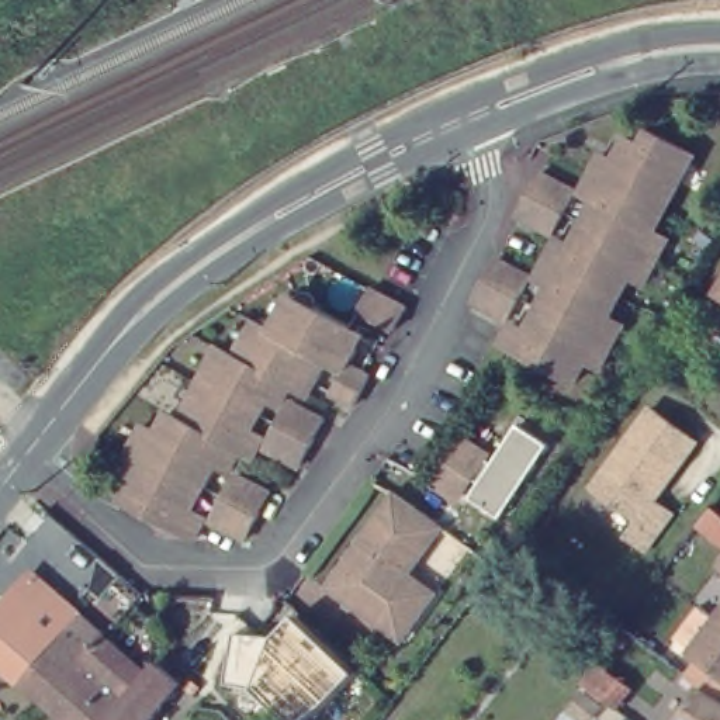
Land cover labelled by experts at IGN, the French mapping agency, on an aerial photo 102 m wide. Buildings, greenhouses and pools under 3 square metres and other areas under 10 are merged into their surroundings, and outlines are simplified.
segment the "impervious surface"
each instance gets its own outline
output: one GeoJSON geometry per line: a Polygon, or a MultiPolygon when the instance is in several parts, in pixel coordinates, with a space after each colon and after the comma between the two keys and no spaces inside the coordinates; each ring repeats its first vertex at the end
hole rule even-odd
{"type": "Polygon", "coordinates": [[[703,169],[698,172],[692,163],[681,172],[678,186],[689,188],[700,191],[706,183],[712,183],[703,169]]]}
{"type": "Polygon", "coordinates": [[[464,560],[467,548],[447,534],[444,540],[430,537],[422,546],[422,554],[413,565],[413,579],[422,582],[433,596],[444,596],[447,579],[447,574],[464,560]]]}
{"type": "Polygon", "coordinates": [[[180,380],[172,371],[160,374],[152,383],[152,388],[143,391],[143,399],[158,405],[172,405],[174,411],[180,411],[186,405],[186,388],[191,380],[180,380]]]}
{"type": "Polygon", "coordinates": [[[239,720],[276,720],[273,709],[264,709],[250,695],[250,686],[231,686],[236,709],[242,712],[239,720]]]}
{"type": "Polygon", "coordinates": [[[180,605],[186,605],[188,596],[222,599],[222,608],[214,616],[214,622],[219,622],[219,633],[214,638],[214,650],[203,672],[203,689],[205,695],[211,695],[217,675],[225,678],[233,641],[239,636],[270,633],[278,624],[284,608],[293,608],[295,624],[307,636],[312,636],[346,672],[357,675],[352,644],[357,641],[357,630],[363,624],[329,599],[323,579],[326,571],[338,563],[340,551],[349,546],[352,534],[374,509],[374,503],[388,492],[377,484],[377,473],[391,473],[397,464],[411,464],[416,447],[422,447],[433,436],[436,422],[442,422],[444,411],[456,399],[458,385],[473,380],[475,366],[487,368],[501,357],[495,349],[489,349],[498,335],[495,326],[473,315],[473,293],[484,281],[484,253],[489,248],[498,248],[503,253],[509,248],[520,248],[520,239],[509,236],[515,222],[515,211],[520,197],[526,194],[526,186],[540,174],[548,174],[548,143],[563,143],[571,132],[585,132],[588,121],[599,118],[608,118],[616,135],[627,129],[624,110],[630,101],[636,101],[641,90],[667,84],[678,90],[678,101],[686,104],[695,90],[700,93],[706,90],[706,84],[720,79],[720,17],[647,25],[568,48],[537,65],[509,70],[498,79],[442,98],[385,127],[383,132],[377,131],[371,113],[349,121],[335,135],[349,138],[349,146],[343,152],[326,158],[323,163],[270,191],[256,205],[236,214],[231,222],[225,222],[222,228],[200,239],[194,248],[183,250],[160,270],[155,270],[143,284],[138,284],[101,323],[101,329],[90,338],[90,343],[70,363],[70,368],[62,374],[62,380],[51,388],[48,397],[34,397],[31,391],[31,385],[42,374],[34,366],[23,366],[20,360],[11,360],[0,352],[0,383],[11,385],[20,397],[14,413],[6,422],[0,422],[0,591],[8,591],[23,574],[37,574],[62,599],[68,599],[82,613],[82,619],[87,619],[98,630],[104,641],[110,641],[124,655],[132,641],[127,633],[115,627],[115,622],[110,622],[110,616],[129,608],[129,593],[152,596],[166,593],[166,599],[177,599],[180,605]],[[419,298],[419,309],[402,307],[397,318],[385,318],[377,323],[383,329],[380,340],[357,335],[357,346],[349,363],[366,374],[366,383],[354,397],[354,408],[352,413],[343,408],[321,411],[321,425],[293,470],[298,473],[298,481],[293,487],[278,489],[276,495],[267,492],[250,515],[250,529],[242,532],[233,543],[219,534],[211,534],[208,526],[200,529],[200,537],[188,534],[191,543],[169,543],[155,537],[132,512],[115,509],[98,498],[84,501],[70,481],[73,458],[79,453],[90,456],[98,433],[87,430],[84,419],[110,391],[110,385],[132,366],[132,360],[186,307],[197,312],[217,295],[222,295],[231,284],[245,278],[245,273],[262,256],[276,250],[278,245],[287,250],[290,245],[307,239],[312,233],[309,228],[318,222],[326,222],[340,214],[346,228],[363,217],[363,203],[368,203],[377,211],[383,205],[394,208],[399,200],[399,188],[411,186],[411,180],[416,177],[430,191],[433,211],[439,211],[439,222],[444,228],[430,231],[428,225],[422,225],[419,239],[399,239],[394,253],[408,256],[405,290],[419,298]],[[304,579],[304,557],[309,557],[321,546],[323,534],[332,529],[332,523],[346,509],[346,503],[363,481],[374,481],[374,492],[366,509],[357,515],[352,529],[338,540],[335,551],[326,557],[318,577],[304,579]]]}
{"type": "Polygon", "coordinates": [[[647,678],[647,683],[661,698],[650,709],[644,709],[638,689],[627,686],[619,712],[591,717],[571,703],[557,720],[672,720],[683,714],[683,709],[692,700],[692,689],[681,689],[678,678],[667,678],[661,672],[653,672],[647,678]]]}
{"type": "Polygon", "coordinates": [[[644,647],[678,675],[686,667],[669,650],[669,644],[661,636],[655,636],[644,641],[644,647]]]}

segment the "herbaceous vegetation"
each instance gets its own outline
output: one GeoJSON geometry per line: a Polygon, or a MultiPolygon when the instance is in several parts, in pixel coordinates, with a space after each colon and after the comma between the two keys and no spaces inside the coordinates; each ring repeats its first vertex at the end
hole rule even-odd
{"type": "Polygon", "coordinates": [[[686,211],[689,188],[678,186],[658,222],[664,250],[678,253],[678,262],[686,270],[700,267],[703,250],[692,245],[689,236],[678,239],[669,231],[669,219],[686,211]]]}
{"type": "Polygon", "coordinates": [[[534,650],[529,669],[518,667],[515,678],[503,678],[501,692],[487,695],[467,672],[467,658],[478,658],[487,647],[495,644],[503,647],[509,636],[506,630],[492,630],[489,613],[470,613],[464,602],[467,588],[453,585],[447,579],[444,596],[433,596],[413,622],[413,627],[408,627],[394,641],[397,655],[391,655],[391,664],[385,669],[385,683],[394,692],[399,689],[397,667],[408,661],[408,653],[413,655],[416,650],[430,647],[439,655],[428,667],[425,678],[391,712],[391,720],[557,720],[571,703],[579,678],[551,675],[551,664],[557,661],[557,655],[534,650]]]}
{"type": "Polygon", "coordinates": [[[473,534],[492,520],[467,506],[458,520],[453,520],[444,512],[444,501],[436,495],[436,487],[428,495],[416,492],[408,484],[408,478],[413,478],[411,464],[397,464],[391,473],[377,473],[377,484],[388,492],[408,501],[447,534],[467,548],[473,551],[478,546],[473,534]]]}
{"type": "Polygon", "coordinates": [[[613,152],[616,135],[608,118],[599,118],[588,121],[585,132],[571,132],[563,143],[548,143],[548,174],[565,186],[577,186],[591,158],[608,158],[613,152]]]}
{"type": "Polygon", "coordinates": [[[158,8],[174,6],[177,0],[0,0],[0,84],[11,76],[20,76],[45,51],[53,51],[56,59],[62,59],[76,53],[79,48],[101,42],[104,37],[124,37],[135,31],[143,20],[149,20],[158,8]]]}
{"type": "Polygon", "coordinates": [[[644,647],[644,641],[655,636],[661,636],[669,644],[678,622],[692,610],[695,596],[700,596],[703,602],[714,602],[720,596],[720,540],[706,543],[698,534],[698,518],[695,503],[703,503],[709,484],[703,481],[686,498],[678,498],[675,492],[706,447],[706,428],[714,422],[720,425],[720,394],[714,399],[703,399],[695,408],[692,388],[686,380],[686,363],[678,360],[669,368],[672,385],[650,388],[641,399],[641,408],[655,411],[672,428],[683,430],[692,439],[692,450],[681,458],[664,492],[658,495],[658,503],[669,512],[669,520],[655,534],[653,546],[644,554],[638,554],[636,548],[622,543],[610,515],[591,503],[588,478],[579,478],[568,489],[563,509],[554,509],[548,503],[526,526],[526,532],[532,534],[529,554],[534,557],[540,582],[554,579],[557,585],[565,585],[568,593],[574,591],[588,596],[591,608],[577,624],[608,627],[613,633],[613,653],[608,669],[627,686],[638,689],[644,709],[650,709],[661,698],[647,683],[647,678],[653,672],[661,672],[667,678],[678,678],[678,675],[644,647]],[[667,616],[653,605],[653,579],[647,560],[667,560],[675,565],[675,579],[669,582],[669,588],[675,591],[675,605],[667,616]]]}
{"type": "Polygon", "coordinates": [[[529,475],[520,481],[509,503],[512,509],[518,509],[526,501],[532,487],[540,481],[546,464],[554,458],[554,447],[563,439],[560,433],[543,428],[543,422],[537,419],[526,419],[523,428],[543,442],[543,453],[529,470],[529,475]]]}
{"type": "Polygon", "coordinates": [[[509,236],[520,239],[520,248],[509,248],[503,253],[503,262],[509,267],[532,273],[546,248],[540,233],[526,231],[520,222],[515,222],[509,236]]]}
{"type": "Polygon", "coordinates": [[[110,293],[141,262],[160,250],[174,233],[197,222],[217,203],[228,208],[245,194],[245,186],[256,186],[256,177],[278,172],[281,163],[335,135],[349,121],[371,113],[416,93],[419,87],[436,84],[464,68],[473,68],[489,56],[506,53],[515,45],[532,45],[537,51],[540,42],[563,31],[596,25],[633,8],[678,0],[408,0],[391,11],[377,11],[371,20],[354,25],[349,31],[349,45],[323,42],[315,51],[284,56],[287,70],[276,76],[250,76],[239,82],[225,101],[200,98],[188,110],[172,113],[160,124],[135,129],[107,143],[104,149],[96,149],[62,169],[48,172],[42,180],[14,186],[11,191],[0,194],[0,352],[11,360],[20,360],[23,366],[34,366],[42,374],[51,371],[65,346],[96,315],[96,309],[110,298],[110,293]]]}
{"type": "Polygon", "coordinates": [[[211,346],[197,340],[194,329],[177,338],[166,349],[166,354],[155,366],[149,366],[149,371],[132,385],[127,399],[113,411],[113,416],[98,433],[90,456],[87,470],[107,473],[113,484],[121,487],[129,467],[127,439],[135,428],[155,425],[158,405],[143,399],[143,391],[152,388],[152,383],[160,374],[172,371],[180,380],[191,380],[197,368],[203,368],[203,354],[211,346]]]}
{"type": "Polygon", "coordinates": [[[585,402],[602,371],[579,368],[577,380],[582,383],[577,383],[568,397],[585,402]]]}
{"type": "Polygon", "coordinates": [[[706,84],[706,90],[700,93],[695,90],[686,104],[695,118],[714,121],[706,138],[689,138],[678,129],[672,115],[672,107],[678,101],[678,90],[667,84],[641,90],[636,101],[630,101],[624,110],[627,129],[647,129],[650,135],[678,149],[686,149],[692,155],[692,163],[698,172],[703,169],[712,183],[720,180],[720,79],[706,84]]]}
{"type": "Polygon", "coordinates": [[[203,689],[203,672],[214,650],[214,638],[219,633],[219,622],[214,622],[214,616],[222,608],[222,599],[188,596],[186,605],[180,605],[177,599],[166,599],[160,624],[172,638],[172,650],[163,655],[149,650],[149,636],[143,633],[143,624],[155,608],[152,596],[129,593],[129,608],[110,616],[110,622],[115,622],[115,627],[127,633],[132,641],[124,655],[138,667],[149,664],[172,678],[166,700],[152,712],[149,720],[239,720],[242,712],[236,709],[231,686],[225,683],[225,678],[217,675],[211,695],[205,695],[203,689]]]}
{"type": "Polygon", "coordinates": [[[31,703],[14,683],[0,681],[0,720],[17,720],[17,706],[31,703]]]}
{"type": "Polygon", "coordinates": [[[613,307],[613,321],[619,321],[622,326],[633,329],[636,321],[653,321],[661,329],[667,326],[664,307],[672,301],[672,293],[683,284],[675,267],[658,259],[647,276],[647,284],[641,284],[638,290],[622,290],[613,307]]]}
{"type": "Polygon", "coordinates": [[[262,323],[264,315],[276,309],[276,298],[293,298],[349,326],[357,335],[380,340],[383,329],[377,323],[368,323],[357,312],[357,301],[366,290],[377,290],[399,301],[402,307],[419,309],[419,298],[405,290],[408,256],[394,253],[374,256],[366,245],[352,242],[346,228],[338,236],[332,236],[321,250],[295,256],[281,270],[245,290],[236,301],[225,307],[225,312],[219,312],[217,323],[222,323],[231,335],[245,329],[250,321],[262,323]]]}
{"type": "Polygon", "coordinates": [[[373,705],[363,693],[360,693],[363,692],[363,683],[357,681],[357,675],[346,672],[335,692],[307,720],[357,720],[373,705]]]}

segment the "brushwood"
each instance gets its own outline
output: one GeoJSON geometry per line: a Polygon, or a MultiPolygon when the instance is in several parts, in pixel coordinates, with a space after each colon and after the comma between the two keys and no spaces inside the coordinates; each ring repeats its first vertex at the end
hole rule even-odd
{"type": "Polygon", "coordinates": [[[377,695],[377,686],[374,686],[374,683],[363,683],[363,692],[360,693],[363,693],[373,705],[357,720],[380,720],[380,695],[377,695]]]}
{"type": "Polygon", "coordinates": [[[338,540],[352,529],[357,515],[366,509],[374,492],[374,481],[363,481],[346,503],[346,509],[332,523],[332,529],[323,534],[321,546],[309,557],[304,557],[304,579],[318,577],[326,557],[335,551],[338,540]]]}

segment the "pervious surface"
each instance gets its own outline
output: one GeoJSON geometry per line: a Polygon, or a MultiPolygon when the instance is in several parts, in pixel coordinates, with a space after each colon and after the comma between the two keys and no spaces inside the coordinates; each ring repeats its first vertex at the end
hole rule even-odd
{"type": "Polygon", "coordinates": [[[222,228],[225,222],[231,222],[236,214],[256,205],[270,191],[323,163],[326,158],[343,152],[349,146],[349,138],[335,135],[281,163],[278,172],[256,177],[256,186],[245,186],[245,194],[228,208],[217,203],[197,222],[174,233],[160,250],[141,262],[110,293],[110,298],[96,309],[96,315],[65,346],[51,371],[42,374],[31,385],[31,391],[34,397],[48,397],[51,388],[62,380],[62,374],[70,368],[70,363],[90,343],[90,338],[101,329],[101,323],[138,284],[143,284],[155,270],[160,270],[183,250],[194,248],[200,239],[222,228]]]}
{"type": "Polygon", "coordinates": [[[0,422],[6,422],[14,413],[20,397],[11,385],[0,383],[0,422]]]}
{"type": "Polygon", "coordinates": [[[113,411],[127,399],[132,385],[149,371],[149,366],[155,366],[166,354],[166,349],[177,338],[194,329],[217,323],[219,312],[225,312],[225,307],[236,301],[245,290],[281,270],[295,256],[321,250],[332,236],[338,236],[346,228],[340,214],[326,222],[318,222],[309,228],[312,233],[307,239],[290,245],[287,250],[278,245],[276,250],[262,256],[245,273],[245,278],[231,284],[222,295],[217,295],[197,312],[186,307],[132,360],[132,366],[110,385],[110,391],[84,419],[87,430],[98,433],[113,416],[113,411]]]}
{"type": "Polygon", "coordinates": [[[442,98],[498,79],[509,70],[537,65],[568,48],[647,25],[720,17],[720,0],[678,0],[633,8],[596,25],[563,31],[540,42],[537,51],[532,45],[515,45],[506,53],[489,56],[473,68],[464,68],[436,84],[419,87],[416,93],[371,113],[377,131],[383,132],[385,127],[442,98]]]}
{"type": "Polygon", "coordinates": [[[678,498],[686,498],[703,481],[709,484],[712,475],[720,473],[720,425],[714,422],[706,428],[706,447],[675,492],[678,498]]]}
{"type": "Polygon", "coordinates": [[[11,191],[14,186],[42,180],[48,172],[62,169],[96,149],[104,149],[107,143],[135,129],[160,124],[172,113],[188,110],[200,98],[225,101],[239,82],[250,76],[276,76],[287,70],[284,56],[315,51],[323,42],[349,45],[349,31],[354,25],[371,20],[377,11],[391,11],[408,0],[177,0],[174,6],[158,8],[149,20],[143,20],[135,31],[124,37],[104,37],[101,42],[79,48],[76,53],[62,59],[56,59],[53,51],[45,51],[20,76],[11,76],[0,84],[0,194],[11,191]]]}

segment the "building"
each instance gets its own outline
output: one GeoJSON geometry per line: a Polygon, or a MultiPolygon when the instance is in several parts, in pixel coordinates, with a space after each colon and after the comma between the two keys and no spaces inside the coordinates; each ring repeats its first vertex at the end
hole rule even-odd
{"type": "Polygon", "coordinates": [[[720,720],[720,596],[714,602],[703,602],[700,596],[695,596],[692,610],[678,622],[669,644],[669,650],[686,667],[678,675],[678,678],[681,689],[692,689],[692,700],[683,709],[683,714],[672,720],[720,720]]]}
{"type": "Polygon", "coordinates": [[[129,467],[121,487],[118,492],[104,492],[98,498],[115,509],[132,512],[155,537],[169,543],[191,543],[188,534],[200,537],[200,529],[208,526],[211,534],[219,534],[233,543],[242,532],[250,529],[250,515],[267,492],[264,487],[259,487],[259,478],[242,478],[236,473],[239,458],[250,464],[253,456],[264,453],[293,470],[321,425],[321,411],[343,408],[352,413],[354,408],[354,397],[366,383],[366,374],[349,363],[357,346],[357,335],[349,326],[293,298],[276,298],[276,309],[264,315],[262,323],[250,321],[245,329],[231,335],[231,349],[222,352],[211,346],[203,354],[203,368],[197,368],[191,380],[186,388],[186,405],[180,411],[174,411],[172,405],[158,405],[155,425],[135,428],[127,439],[129,467]]]}
{"type": "Polygon", "coordinates": [[[501,518],[503,506],[509,503],[520,481],[529,475],[529,470],[543,453],[543,442],[523,428],[498,419],[495,425],[487,425],[481,433],[473,430],[473,436],[461,442],[442,464],[436,487],[436,495],[444,501],[444,512],[453,520],[458,520],[467,506],[492,520],[501,518]]]}
{"type": "Polygon", "coordinates": [[[720,270],[712,276],[709,284],[709,298],[720,301],[720,270]]]}
{"type": "Polygon", "coordinates": [[[23,574],[8,591],[0,591],[0,681],[14,683],[31,703],[17,706],[17,720],[149,720],[152,712],[166,700],[172,678],[149,664],[138,667],[124,655],[110,641],[104,641],[98,630],[87,619],[82,619],[82,613],[68,599],[62,599],[37,574],[23,574]]]}
{"type": "Polygon", "coordinates": [[[703,250],[709,239],[703,233],[689,236],[692,245],[703,250]]]}
{"type": "Polygon", "coordinates": [[[720,515],[712,509],[698,518],[698,534],[706,543],[720,540],[720,515]]]}
{"type": "Polygon", "coordinates": [[[619,712],[627,686],[608,669],[593,667],[579,678],[571,703],[591,717],[619,712]]]}
{"type": "Polygon", "coordinates": [[[295,624],[293,608],[284,608],[278,624],[270,633],[239,636],[233,641],[225,678],[225,683],[231,686],[250,686],[250,695],[264,709],[273,709],[276,720],[307,720],[335,692],[346,672],[312,636],[307,636],[295,624]]]}
{"type": "Polygon", "coordinates": [[[622,290],[638,290],[641,284],[647,284],[647,276],[658,259],[664,250],[658,222],[678,186],[681,172],[692,163],[692,155],[686,149],[678,149],[650,135],[647,129],[627,129],[616,135],[613,152],[608,158],[591,158],[577,186],[565,186],[548,174],[540,174],[526,186],[526,194],[520,197],[515,211],[515,222],[520,222],[526,231],[540,233],[546,248],[532,273],[509,267],[503,262],[503,253],[498,248],[489,248],[484,253],[484,281],[473,293],[473,315],[495,326],[498,335],[489,349],[495,349],[501,357],[512,357],[523,366],[548,363],[554,391],[568,397],[577,383],[582,383],[577,380],[579,368],[602,371],[605,357],[622,326],[619,321],[613,321],[613,307],[622,290]]]}
{"type": "Polygon", "coordinates": [[[397,318],[402,307],[399,301],[377,290],[366,290],[357,301],[357,312],[368,323],[377,323],[385,318],[397,318]]]}
{"type": "Polygon", "coordinates": [[[408,501],[388,492],[374,503],[374,509],[352,534],[349,546],[340,551],[338,563],[326,571],[323,579],[329,599],[363,624],[380,630],[385,638],[394,641],[408,627],[413,627],[413,622],[433,596],[422,582],[413,579],[413,565],[422,554],[422,546],[430,537],[444,540],[447,534],[408,501]]]}
{"type": "Polygon", "coordinates": [[[672,428],[655,411],[641,408],[624,425],[613,447],[602,456],[596,473],[588,478],[591,503],[610,515],[622,543],[636,548],[638,554],[644,554],[653,546],[655,534],[669,520],[669,512],[658,503],[658,495],[664,492],[681,458],[692,450],[692,439],[683,430],[672,428]]]}

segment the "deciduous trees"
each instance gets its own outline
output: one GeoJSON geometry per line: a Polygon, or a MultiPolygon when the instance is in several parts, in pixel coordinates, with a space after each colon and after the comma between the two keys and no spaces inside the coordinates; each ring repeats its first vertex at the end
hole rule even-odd
{"type": "Polygon", "coordinates": [[[259,487],[264,487],[267,492],[276,495],[278,489],[293,487],[298,481],[298,473],[293,470],[264,453],[253,456],[250,464],[239,458],[236,473],[242,478],[259,478],[259,487]]]}
{"type": "Polygon", "coordinates": [[[653,605],[667,616],[675,605],[675,591],[669,588],[669,582],[675,579],[675,565],[667,560],[647,560],[653,579],[653,605]]]}
{"type": "Polygon", "coordinates": [[[197,340],[211,346],[222,352],[231,349],[231,335],[222,323],[217,323],[194,329],[197,340]]]}
{"type": "Polygon", "coordinates": [[[689,138],[706,138],[714,121],[695,118],[686,104],[678,101],[672,107],[672,115],[678,129],[689,138]]]}
{"type": "Polygon", "coordinates": [[[709,484],[703,503],[695,503],[698,518],[712,509],[720,515],[720,473],[712,475],[709,484]]]}
{"type": "Polygon", "coordinates": [[[357,675],[357,681],[363,683],[374,683],[374,686],[377,686],[377,695],[380,695],[380,720],[391,720],[391,712],[425,678],[428,667],[439,655],[430,647],[416,650],[413,655],[408,653],[408,661],[397,667],[399,689],[394,692],[385,683],[385,669],[391,664],[391,655],[397,655],[394,641],[385,638],[380,630],[363,624],[357,630],[357,641],[352,644],[357,675]]]}
{"type": "Polygon", "coordinates": [[[526,526],[548,503],[554,509],[563,509],[568,489],[579,478],[588,478],[596,473],[602,456],[613,447],[624,425],[641,408],[641,399],[650,388],[672,385],[669,368],[678,360],[686,363],[686,380],[692,388],[695,408],[703,399],[714,399],[720,394],[720,301],[709,298],[709,284],[712,276],[720,270],[720,180],[712,183],[706,183],[700,191],[689,188],[686,211],[669,219],[669,231],[678,239],[689,236],[703,233],[709,239],[703,250],[700,267],[686,270],[678,262],[678,253],[664,250],[658,259],[675,267],[683,284],[672,293],[672,301],[664,307],[667,326],[661,329],[653,321],[636,321],[633,329],[622,326],[605,357],[602,371],[585,402],[568,397],[554,391],[548,363],[523,366],[512,357],[501,357],[487,368],[475,366],[473,380],[458,385],[456,399],[444,411],[442,422],[436,422],[433,436],[422,447],[416,447],[411,464],[413,478],[408,478],[408,484],[416,492],[428,495],[436,487],[442,464],[461,442],[473,436],[473,430],[481,433],[487,425],[495,425],[498,419],[523,428],[526,419],[537,419],[543,422],[543,428],[560,433],[563,439],[554,447],[554,458],[546,464],[540,481],[532,487],[526,501],[518,509],[512,509],[509,503],[503,506],[501,518],[492,520],[473,534],[478,546],[473,551],[467,548],[464,560],[447,574],[447,579],[453,585],[467,588],[464,602],[470,613],[489,613],[492,630],[506,630],[509,636],[503,647],[495,644],[487,647],[478,658],[467,658],[467,672],[487,695],[501,692],[503,678],[515,678],[518,667],[529,669],[534,650],[557,655],[557,661],[551,664],[551,675],[579,678],[593,667],[608,669],[613,653],[613,633],[608,627],[577,624],[591,608],[588,596],[574,591],[568,593],[565,585],[557,585],[554,579],[540,582],[534,557],[529,554],[532,534],[526,532],[526,526]]]}
{"type": "Polygon", "coordinates": [[[149,636],[149,650],[163,655],[172,650],[172,638],[160,624],[166,599],[166,593],[152,596],[155,608],[143,624],[143,633],[149,636]]]}
{"type": "Polygon", "coordinates": [[[70,481],[84,501],[98,498],[104,492],[118,492],[121,487],[113,484],[107,473],[87,470],[90,456],[79,453],[73,458],[70,481]]]}
{"type": "Polygon", "coordinates": [[[399,188],[399,200],[394,208],[383,205],[377,211],[368,203],[363,203],[363,217],[346,228],[352,242],[366,245],[374,256],[394,253],[399,239],[419,239],[422,225],[428,225],[430,231],[444,228],[439,222],[439,211],[433,211],[430,191],[416,177],[411,180],[411,186],[399,188]]]}

